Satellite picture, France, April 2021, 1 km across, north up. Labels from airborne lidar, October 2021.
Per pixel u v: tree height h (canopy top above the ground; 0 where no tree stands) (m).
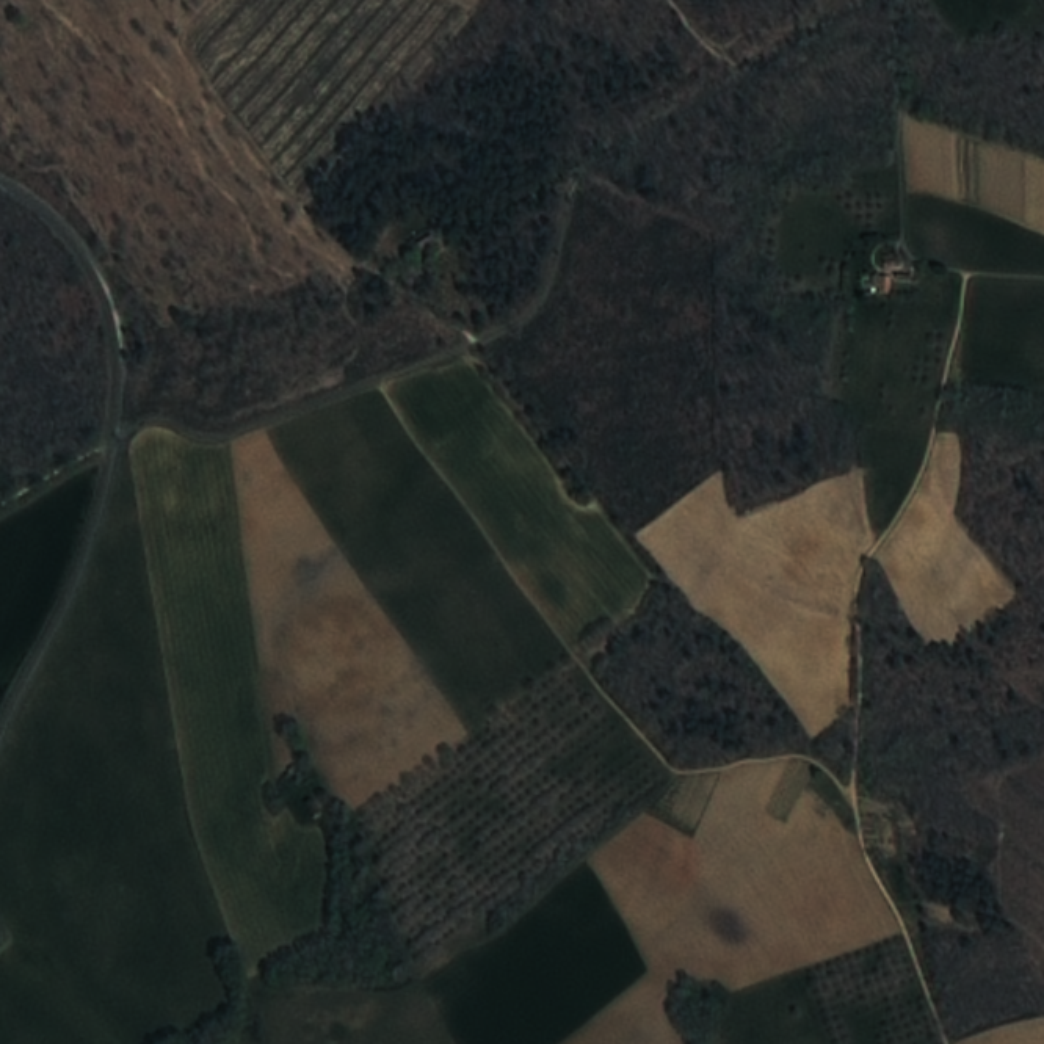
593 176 13
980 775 8
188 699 0
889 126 20
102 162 0
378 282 16
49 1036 0
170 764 0
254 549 0
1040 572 6
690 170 12
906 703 9
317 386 0
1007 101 12
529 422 15
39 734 0
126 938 0
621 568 0
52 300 10
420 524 0
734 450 10
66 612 0
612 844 0
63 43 0
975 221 0
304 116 0
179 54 0
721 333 14
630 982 0
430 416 0
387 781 0
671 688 9
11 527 0
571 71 11
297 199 0
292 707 0
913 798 10
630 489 6
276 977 21
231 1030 21
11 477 18
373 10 0
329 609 0
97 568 0
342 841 17
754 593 0
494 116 20
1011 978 11
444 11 0
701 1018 14
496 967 0
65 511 0
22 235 11
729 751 19
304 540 0
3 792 0
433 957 10
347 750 0
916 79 11
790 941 0
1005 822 0
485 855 6
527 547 0
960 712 8
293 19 0
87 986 0
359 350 0
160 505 0
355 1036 0
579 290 7
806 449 24
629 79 21
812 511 0
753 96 15
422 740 0
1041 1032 0
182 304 14
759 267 15
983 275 0
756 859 0
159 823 0
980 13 0
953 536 0
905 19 16
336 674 0
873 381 0
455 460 0
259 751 0
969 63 10
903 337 0
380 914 10
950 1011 16
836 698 0
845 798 0
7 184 0
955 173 0
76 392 10
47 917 0
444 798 6
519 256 19
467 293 18
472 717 0
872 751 11
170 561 0
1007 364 0
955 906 13
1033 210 0
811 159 16
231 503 0
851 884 0
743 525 0
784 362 14
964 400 17
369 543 0
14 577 0
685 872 0
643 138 14
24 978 0
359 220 29
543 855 8
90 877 0
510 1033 0
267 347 9
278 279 11
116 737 0
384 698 0
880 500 0
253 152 0
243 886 0
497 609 0
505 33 11
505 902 8
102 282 0
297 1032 0
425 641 0
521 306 9
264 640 0
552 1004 0
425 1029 0
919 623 0
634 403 16
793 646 0
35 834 0
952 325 0
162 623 0
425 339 0
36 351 14
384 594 0
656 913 0
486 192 28
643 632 8
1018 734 13
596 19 9
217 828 0
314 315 13
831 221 0
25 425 12
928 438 0
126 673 0
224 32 0
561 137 10
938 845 11
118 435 0
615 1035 0
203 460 0
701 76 12
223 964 23
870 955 8
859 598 8
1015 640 11
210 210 11
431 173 12
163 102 0
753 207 16
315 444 0
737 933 0
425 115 17
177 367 0
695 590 0
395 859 9
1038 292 0
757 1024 0
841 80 15
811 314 12
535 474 0
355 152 29
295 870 0
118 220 13
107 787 0
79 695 0
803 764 0
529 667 0
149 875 0
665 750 12
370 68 0
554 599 0
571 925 0
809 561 0
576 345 11
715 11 7
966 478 15
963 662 10
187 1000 0
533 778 6
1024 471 7
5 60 0
